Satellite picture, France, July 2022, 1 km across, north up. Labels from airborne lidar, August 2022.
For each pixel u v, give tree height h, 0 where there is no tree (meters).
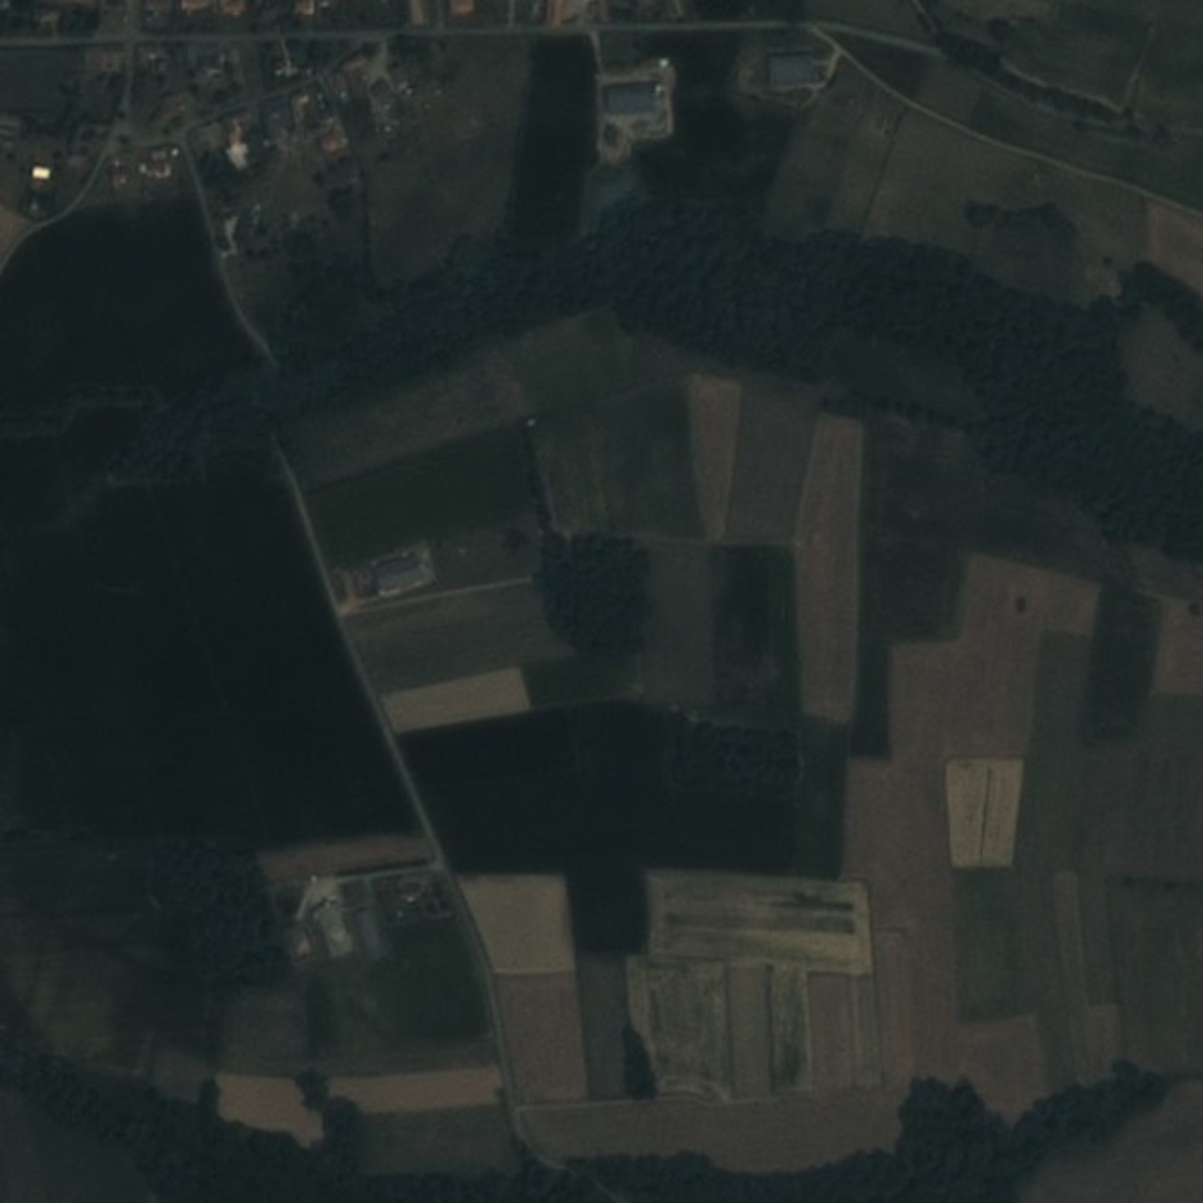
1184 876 0
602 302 12
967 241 0
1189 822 0
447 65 0
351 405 23
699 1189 26
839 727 0
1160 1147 0
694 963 0
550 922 0
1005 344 19
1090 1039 0
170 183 0
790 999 0
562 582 22
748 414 0
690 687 0
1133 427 18
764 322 24
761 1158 0
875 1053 0
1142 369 0
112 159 0
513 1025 0
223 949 26
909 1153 18
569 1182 13
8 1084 17
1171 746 0
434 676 0
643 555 14
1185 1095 0
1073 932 0
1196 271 0
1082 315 19
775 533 0
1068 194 0
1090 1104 26
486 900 0
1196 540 21
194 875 27
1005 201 0
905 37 0
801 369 15
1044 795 0
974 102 0
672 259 23
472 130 0
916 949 0
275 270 0
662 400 0
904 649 0
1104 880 0
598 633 22
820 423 0
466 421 0
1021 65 0
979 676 0
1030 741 0
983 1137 27
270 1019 0
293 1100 0
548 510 9
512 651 0
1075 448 22
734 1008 0
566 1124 0
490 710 0
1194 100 0
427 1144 0
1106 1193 0
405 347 27
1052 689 0
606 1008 0
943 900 0
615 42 0
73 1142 0
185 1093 0
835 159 0
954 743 0
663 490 0
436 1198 26
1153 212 0
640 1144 0
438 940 0
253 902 11
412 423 0
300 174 0
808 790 0
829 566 0
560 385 0
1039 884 0
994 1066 0
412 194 0
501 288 24
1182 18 0
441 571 0
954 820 0
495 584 0
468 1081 0
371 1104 0
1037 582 0
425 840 0
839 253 25
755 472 0
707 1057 0
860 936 0
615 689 0
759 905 0
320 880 0
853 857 0
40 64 0
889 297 11
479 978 0
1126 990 0
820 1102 0
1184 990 0
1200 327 16
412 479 0
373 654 0
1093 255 0
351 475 0
